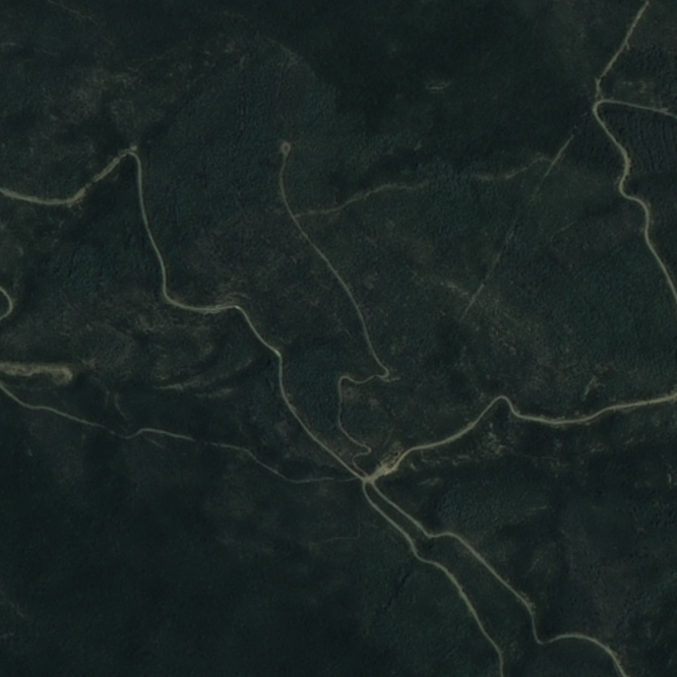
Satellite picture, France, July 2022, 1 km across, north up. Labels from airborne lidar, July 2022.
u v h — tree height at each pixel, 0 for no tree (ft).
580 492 23
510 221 25
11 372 0
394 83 20
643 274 21
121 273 24
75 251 24
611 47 18
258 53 18
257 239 19
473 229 18
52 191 23
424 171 28
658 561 27
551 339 20
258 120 25
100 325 0
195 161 21
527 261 22
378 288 19
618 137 19
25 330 0
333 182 26
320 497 0
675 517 34
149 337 25
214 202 19
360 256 21
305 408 22
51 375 0
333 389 21
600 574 20
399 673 19
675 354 27
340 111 32
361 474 20
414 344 21
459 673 21
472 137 38
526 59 17
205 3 19
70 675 25
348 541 0
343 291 21
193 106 18
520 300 18
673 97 25
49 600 20
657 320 21
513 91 28
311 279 22
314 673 22
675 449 19
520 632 22
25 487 25
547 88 24
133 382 25
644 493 20
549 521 22
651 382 20
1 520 17
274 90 20
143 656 26
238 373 18
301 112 19
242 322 20
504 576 20
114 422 17
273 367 25
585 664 26
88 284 19
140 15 19
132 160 31
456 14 24
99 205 21
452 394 20
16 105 23
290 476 23
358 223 21
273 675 20
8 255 0
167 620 22
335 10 23
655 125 38
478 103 22
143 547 25
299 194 20
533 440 19
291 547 24
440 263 22
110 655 18
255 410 19
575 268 22
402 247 19
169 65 20
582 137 38
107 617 19
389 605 24
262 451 22
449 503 20
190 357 19
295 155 20
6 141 19
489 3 23
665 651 22
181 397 19
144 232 18
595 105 0
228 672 18
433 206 18
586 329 23
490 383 23
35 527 24
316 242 23
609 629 0
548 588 24
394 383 22
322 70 21
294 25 22
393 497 20
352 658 19
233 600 21
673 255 26
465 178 26
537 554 0
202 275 18
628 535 19
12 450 22
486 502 21
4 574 19
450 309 20
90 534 25
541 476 27
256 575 18
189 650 19
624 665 20
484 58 22
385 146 23
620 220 24
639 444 21
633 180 22
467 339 19
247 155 21
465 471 21
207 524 17
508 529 20
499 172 23
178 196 22
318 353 21
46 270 19
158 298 29
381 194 0
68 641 21
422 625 18
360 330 18
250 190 21
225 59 18
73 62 22
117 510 32
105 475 19
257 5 18
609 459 20
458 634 20
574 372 21
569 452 20
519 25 19
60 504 23
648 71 27
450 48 22
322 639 18
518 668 23
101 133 19
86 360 20
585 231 20
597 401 27
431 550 24
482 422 25
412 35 23
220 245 20
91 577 20
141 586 20
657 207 25
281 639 19
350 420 22
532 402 20
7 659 30
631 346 20
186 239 22
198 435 20
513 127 27
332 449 0
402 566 21
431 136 32
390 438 0
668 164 32
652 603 24
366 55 26
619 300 25
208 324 23
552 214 25
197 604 24
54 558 20
